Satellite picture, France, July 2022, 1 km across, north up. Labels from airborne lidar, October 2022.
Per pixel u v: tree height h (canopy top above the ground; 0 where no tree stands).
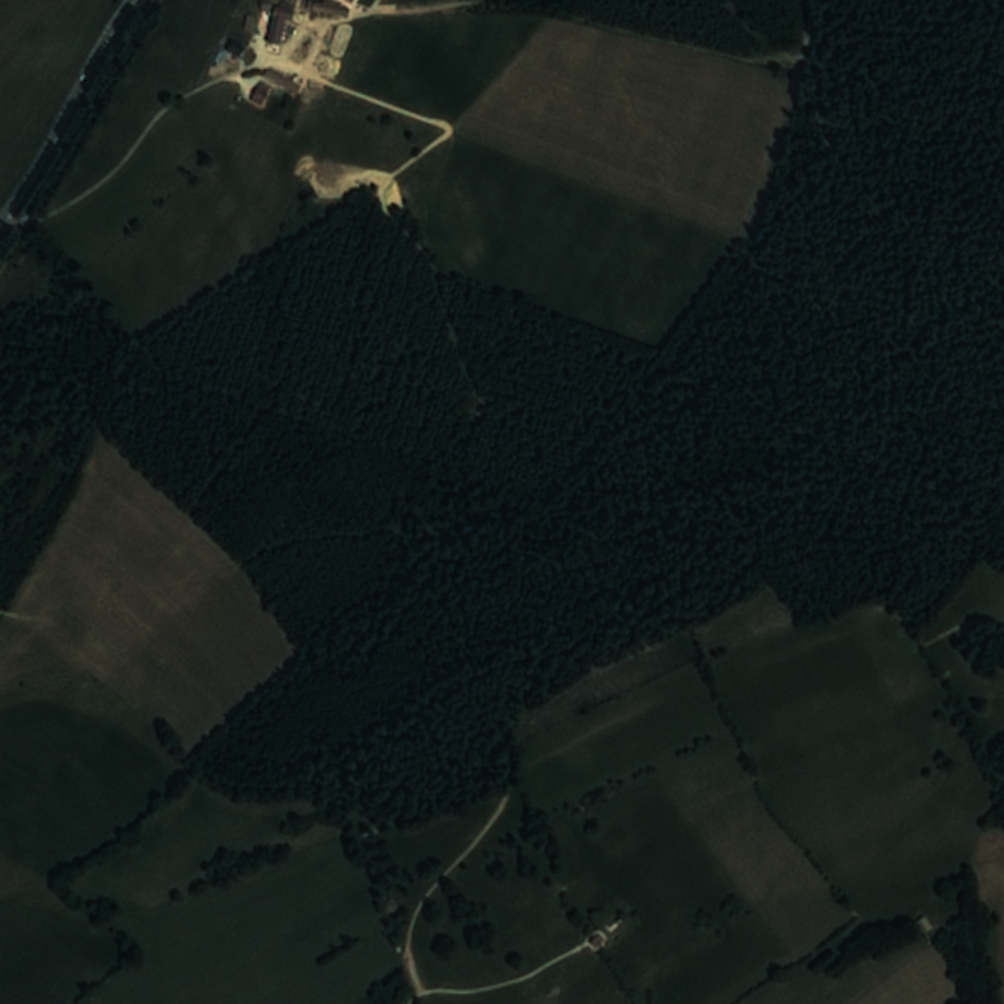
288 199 0
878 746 0
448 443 12
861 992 0
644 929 0
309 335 18
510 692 32
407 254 16
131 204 0
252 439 21
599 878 0
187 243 0
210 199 0
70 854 0
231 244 0
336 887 0
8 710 0
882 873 0
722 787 0
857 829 0
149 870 0
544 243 0
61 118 0
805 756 0
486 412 10
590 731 0
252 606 0
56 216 0
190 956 0
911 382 12
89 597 0
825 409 26
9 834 0
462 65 0
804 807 0
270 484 15
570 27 0
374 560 14
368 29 0
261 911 0
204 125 0
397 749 32
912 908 0
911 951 0
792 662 0
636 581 20
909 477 26
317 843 0
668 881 0
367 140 0
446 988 0
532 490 15
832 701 0
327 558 17
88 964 0
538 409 16
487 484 14
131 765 0
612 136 0
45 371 15
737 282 12
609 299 0
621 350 12
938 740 0
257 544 16
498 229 0
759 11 15
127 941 16
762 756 0
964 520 27
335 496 13
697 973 0
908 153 29
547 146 0
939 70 23
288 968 0
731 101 0
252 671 0
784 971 13
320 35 0
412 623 21
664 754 0
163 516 0
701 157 0
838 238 17
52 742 0
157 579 0
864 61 23
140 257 0
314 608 15
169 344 16
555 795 0
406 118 0
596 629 29
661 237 0
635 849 0
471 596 25
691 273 0
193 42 0
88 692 0
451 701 33
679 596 19
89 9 0
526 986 0
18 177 0
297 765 14
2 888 0
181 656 0
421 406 17
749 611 0
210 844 0
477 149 0
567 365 17
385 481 16
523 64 0
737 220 0
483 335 18
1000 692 0
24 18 0
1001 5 8
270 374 9
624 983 7
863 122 29
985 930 16
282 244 11
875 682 0
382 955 0
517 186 0
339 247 14
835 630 0
